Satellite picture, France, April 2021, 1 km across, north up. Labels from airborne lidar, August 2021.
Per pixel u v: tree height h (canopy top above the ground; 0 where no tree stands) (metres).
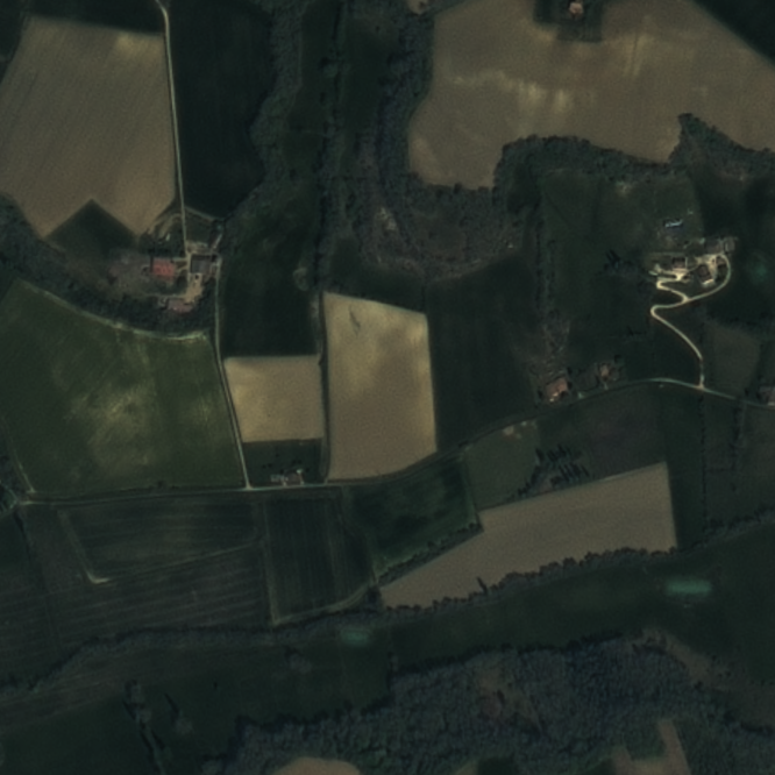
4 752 11
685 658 0
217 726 0
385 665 0
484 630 0
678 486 0
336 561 0
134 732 0
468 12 0
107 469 0
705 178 0
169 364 0
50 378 0
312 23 0
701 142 21
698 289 0
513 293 0
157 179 0
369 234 14
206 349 0
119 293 0
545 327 9
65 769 0
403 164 17
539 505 0
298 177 18
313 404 0
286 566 0
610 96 0
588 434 0
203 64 0
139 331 0
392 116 17
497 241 12
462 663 13
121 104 0
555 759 20
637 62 0
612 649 19
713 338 0
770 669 0
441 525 0
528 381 0
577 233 0
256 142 18
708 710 26
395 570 9
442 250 0
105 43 0
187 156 0
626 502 0
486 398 0
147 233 0
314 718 0
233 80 0
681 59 0
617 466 0
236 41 0
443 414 0
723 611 0
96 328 0
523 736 24
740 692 0
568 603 0
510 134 0
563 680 19
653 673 20
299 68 19
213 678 0
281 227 0
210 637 17
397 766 22
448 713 24
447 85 0
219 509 0
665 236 0
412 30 23
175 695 0
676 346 0
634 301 0
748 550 0
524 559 0
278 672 0
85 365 0
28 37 0
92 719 0
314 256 0
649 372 0
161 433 0
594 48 0
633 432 0
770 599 0
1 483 0
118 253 0
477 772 0
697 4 0
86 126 0
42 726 0
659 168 7
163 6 11
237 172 0
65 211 0
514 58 0
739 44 0
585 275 0
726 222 0
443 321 0
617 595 0
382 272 0
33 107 0
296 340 0
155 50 0
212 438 0
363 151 17
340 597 0
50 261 16
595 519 0
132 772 0
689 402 0
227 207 0
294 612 0
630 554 14
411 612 13
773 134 0
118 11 0
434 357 0
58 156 0
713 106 0
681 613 0
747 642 0
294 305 0
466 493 0
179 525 0
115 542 0
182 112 0
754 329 12
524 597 0
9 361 0
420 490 0
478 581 0
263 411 0
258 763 21
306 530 0
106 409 0
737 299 0
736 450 14
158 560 0
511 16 0
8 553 0
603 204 0
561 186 0
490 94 0
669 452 0
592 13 11
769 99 0
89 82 0
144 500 0
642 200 0
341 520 0
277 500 0
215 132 0
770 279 0
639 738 21
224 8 0
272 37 13
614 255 0
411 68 21
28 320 0
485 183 0
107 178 0
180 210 0
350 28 0
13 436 0
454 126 0
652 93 0
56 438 0
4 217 22
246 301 0
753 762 22
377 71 0
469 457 0
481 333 0
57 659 0
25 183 0
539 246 6
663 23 0
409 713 23
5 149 0
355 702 0
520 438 0
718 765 15
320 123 0
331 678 0
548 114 0
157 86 0
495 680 0
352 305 0
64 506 0
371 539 0
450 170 0
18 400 0
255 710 0
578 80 0
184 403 0
